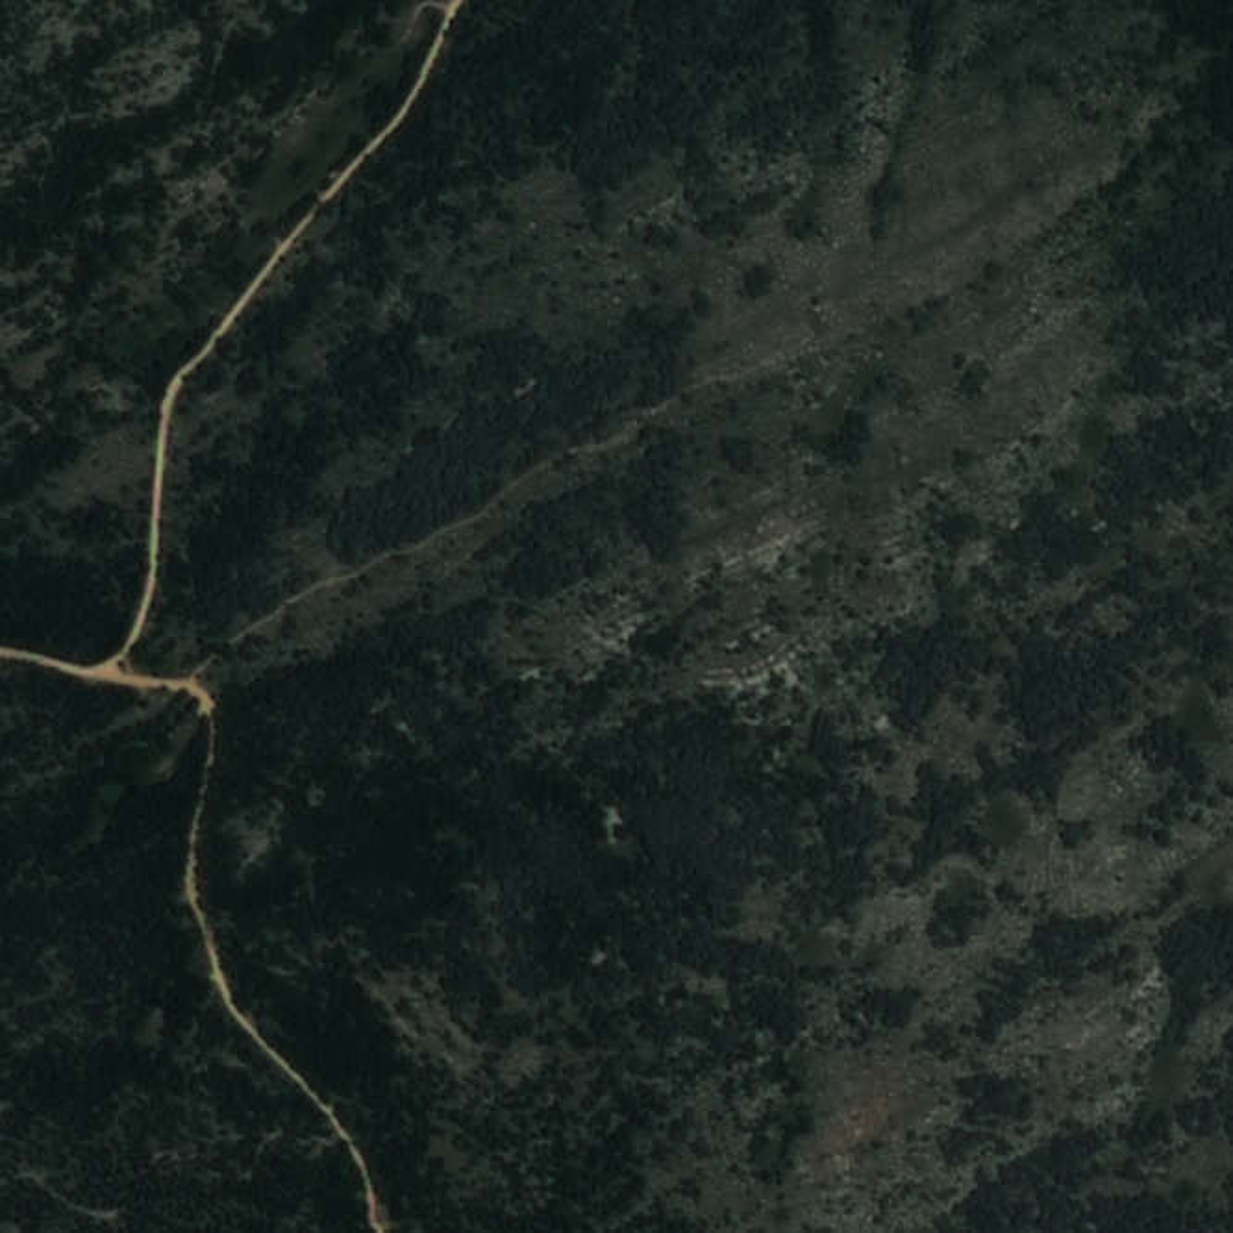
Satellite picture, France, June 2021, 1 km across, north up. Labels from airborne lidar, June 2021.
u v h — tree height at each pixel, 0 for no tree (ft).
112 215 31
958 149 0
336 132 0
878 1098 0
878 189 34
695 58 22
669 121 21
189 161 25
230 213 34
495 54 22
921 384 0
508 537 19
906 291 0
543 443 26
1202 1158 0
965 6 0
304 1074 25
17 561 26
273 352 28
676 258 0
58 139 32
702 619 0
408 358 22
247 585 31
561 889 24
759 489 0
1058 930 31
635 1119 22
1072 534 26
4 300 21
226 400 0
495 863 26
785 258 0
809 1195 0
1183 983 30
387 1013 19
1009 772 23
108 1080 23
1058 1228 20
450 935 28
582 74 25
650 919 22
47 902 25
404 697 26
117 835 28
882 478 0
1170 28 20
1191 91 24
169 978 18
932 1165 0
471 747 28
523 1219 21
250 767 22
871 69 0
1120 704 26
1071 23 0
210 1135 20
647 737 27
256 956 21
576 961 28
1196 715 0
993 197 0
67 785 18
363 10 35
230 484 27
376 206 27
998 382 0
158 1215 22
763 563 0
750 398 0
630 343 28
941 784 23
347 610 0
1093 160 0
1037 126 0
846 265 0
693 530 0
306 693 31
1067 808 0
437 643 27
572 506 27
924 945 0
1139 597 24
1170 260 30
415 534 28
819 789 26
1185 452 26
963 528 31
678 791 26
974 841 31
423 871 30
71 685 26
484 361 29
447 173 19
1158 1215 35
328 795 27
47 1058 31
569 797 33
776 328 0
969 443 0
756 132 24
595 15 27
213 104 28
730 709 24
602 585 0
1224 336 18
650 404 25
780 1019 37
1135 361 28
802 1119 22
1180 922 29
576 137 23
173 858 28
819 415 0
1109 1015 0
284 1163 19
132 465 0
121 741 22
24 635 21
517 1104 20
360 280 27
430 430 20
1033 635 27
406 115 18
